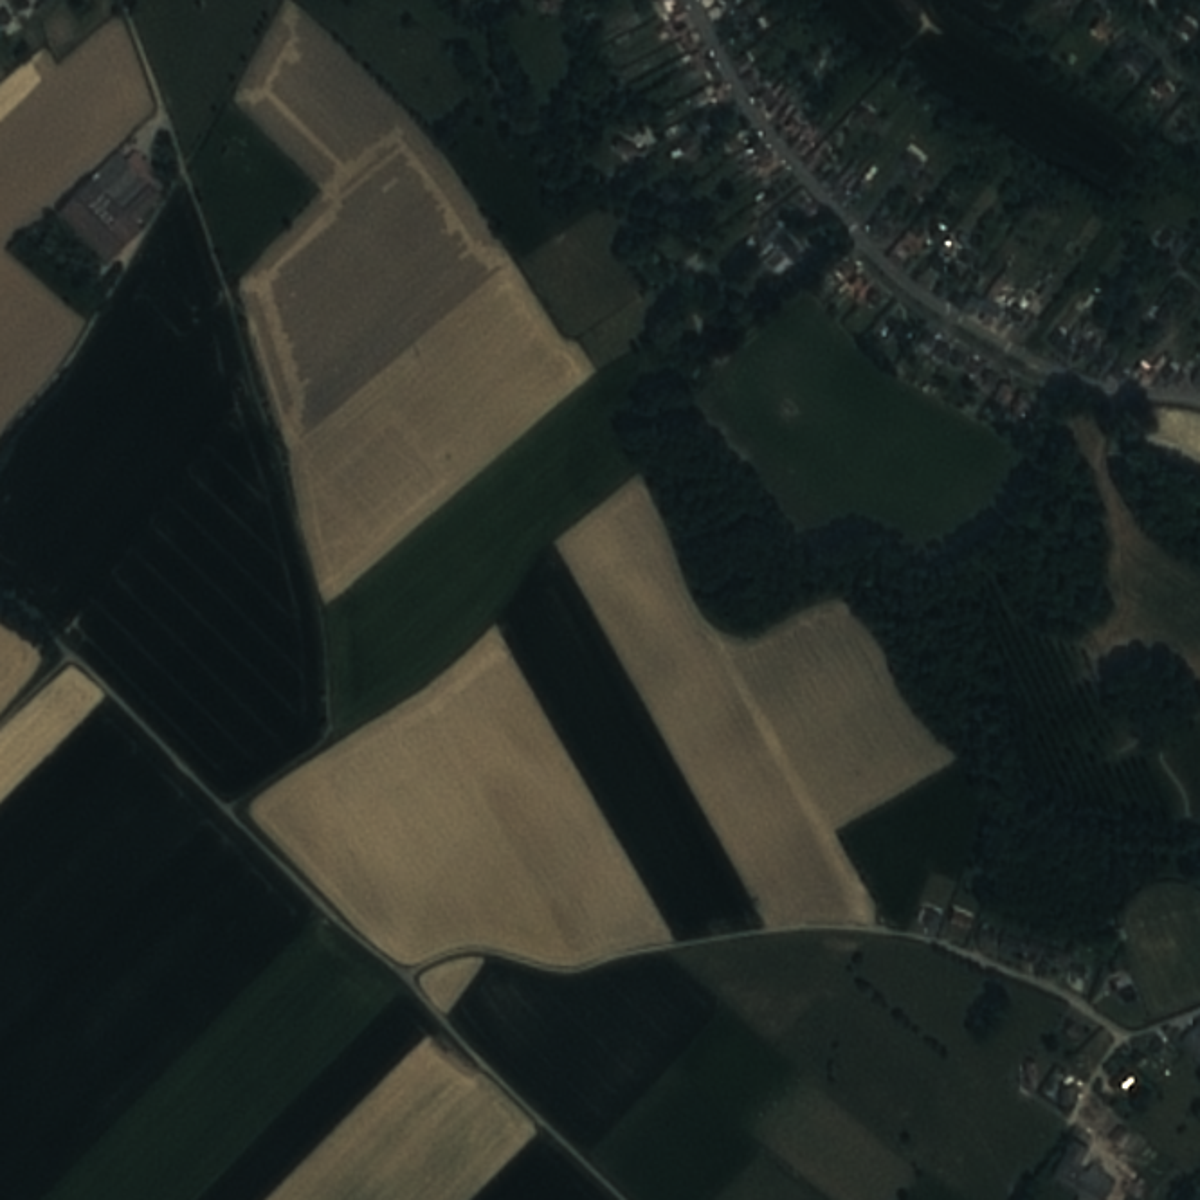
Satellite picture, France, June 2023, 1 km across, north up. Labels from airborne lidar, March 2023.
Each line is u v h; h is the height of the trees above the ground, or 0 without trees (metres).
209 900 0
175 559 0
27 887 0
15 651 0
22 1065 0
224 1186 0
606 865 0
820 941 0
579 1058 0
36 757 0
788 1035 0
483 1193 0
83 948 0
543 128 19
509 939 0
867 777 0
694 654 0
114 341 0
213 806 0
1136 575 0
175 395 0
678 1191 0
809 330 0
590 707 0
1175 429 0
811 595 19
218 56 0
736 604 27
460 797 0
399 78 0
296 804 0
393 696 0
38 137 0
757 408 0
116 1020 0
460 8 15
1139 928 0
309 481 0
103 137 0
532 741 0
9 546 0
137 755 0
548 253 0
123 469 0
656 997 0
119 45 0
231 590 0
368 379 0
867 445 0
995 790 18
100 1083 0
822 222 14
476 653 0
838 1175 0
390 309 0
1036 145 0
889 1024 0
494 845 0
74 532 0
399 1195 0
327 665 0
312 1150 0
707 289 22
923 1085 0
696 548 32
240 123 0
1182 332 0
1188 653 0
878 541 26
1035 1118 0
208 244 0
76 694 0
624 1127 0
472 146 0
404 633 0
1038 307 0
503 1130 0
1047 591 24
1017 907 18
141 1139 0
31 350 0
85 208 0
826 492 0
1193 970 0
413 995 0
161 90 0
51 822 0
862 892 0
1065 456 25
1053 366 0
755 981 0
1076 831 28
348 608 0
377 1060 0
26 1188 0
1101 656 0
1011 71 0
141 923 0
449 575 0
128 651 0
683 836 0
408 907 0
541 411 0
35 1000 0
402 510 0
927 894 0
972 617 24
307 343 0
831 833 0
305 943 0
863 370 0
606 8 15
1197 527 23
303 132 0
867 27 0
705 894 0
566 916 0
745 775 0
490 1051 0
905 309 0
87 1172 0
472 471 0
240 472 0
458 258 0
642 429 22
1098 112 0
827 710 0
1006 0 0
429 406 0
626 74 0
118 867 0
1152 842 20
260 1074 0
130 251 0
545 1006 0
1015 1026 0
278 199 0
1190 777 0
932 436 0
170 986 0
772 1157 0
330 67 0
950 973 0
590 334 0
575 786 0
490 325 0
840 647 0
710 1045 0
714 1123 0
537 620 0
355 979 0
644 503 0
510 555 0
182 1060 0
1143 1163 0
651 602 0
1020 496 24
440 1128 0
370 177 0
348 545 0
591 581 0
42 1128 0
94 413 0
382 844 0
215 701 0
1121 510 0
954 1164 0
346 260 0
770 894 0
